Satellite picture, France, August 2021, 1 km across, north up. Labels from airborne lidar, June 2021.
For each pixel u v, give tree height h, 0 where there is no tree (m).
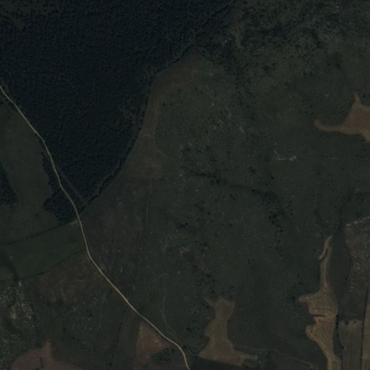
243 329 0
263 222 0
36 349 0
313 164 0
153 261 0
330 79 0
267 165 0
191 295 0
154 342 0
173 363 0
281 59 0
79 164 13
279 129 0
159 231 0
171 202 0
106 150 14
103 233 0
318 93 0
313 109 0
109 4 15
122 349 0
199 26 14
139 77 14
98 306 0
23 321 0
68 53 12
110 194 0
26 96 16
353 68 0
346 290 0
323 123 0
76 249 0
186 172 0
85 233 0
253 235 0
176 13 15
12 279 0
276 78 0
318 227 0
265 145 0
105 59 12
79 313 0
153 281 0
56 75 8
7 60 13
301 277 0
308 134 0
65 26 14
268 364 0
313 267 0
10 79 16
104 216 0
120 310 0
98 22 16
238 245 0
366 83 0
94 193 7
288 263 0
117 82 12
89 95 11
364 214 0
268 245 0
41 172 0
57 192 11
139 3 16
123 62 13
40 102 15
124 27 15
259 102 0
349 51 0
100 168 13
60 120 14
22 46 11
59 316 0
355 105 0
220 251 0
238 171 0
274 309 0
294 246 0
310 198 0
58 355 0
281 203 0
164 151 0
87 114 9
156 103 0
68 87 12
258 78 0
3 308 0
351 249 0
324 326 0
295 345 0
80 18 15
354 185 0
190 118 0
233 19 0
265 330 0
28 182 0
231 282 0
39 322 0
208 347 0
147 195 0
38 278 0
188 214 0
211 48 8
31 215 0
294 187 0
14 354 0
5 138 0
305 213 0
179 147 0
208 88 0
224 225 0
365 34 0
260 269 0
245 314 0
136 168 0
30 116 12
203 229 0
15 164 0
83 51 11
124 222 0
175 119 0
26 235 0
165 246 0
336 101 0
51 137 12
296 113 0
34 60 17
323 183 0
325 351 0
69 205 13
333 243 0
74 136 14
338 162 0
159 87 0
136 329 0
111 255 0
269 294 0
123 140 12
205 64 0
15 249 0
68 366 0
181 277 0
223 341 0
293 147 0
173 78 0
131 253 0
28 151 0
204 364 0
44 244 0
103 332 0
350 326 0
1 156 0
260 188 0
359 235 0
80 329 0
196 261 0
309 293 0
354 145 0
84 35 16
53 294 0
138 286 0
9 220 0
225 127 0
